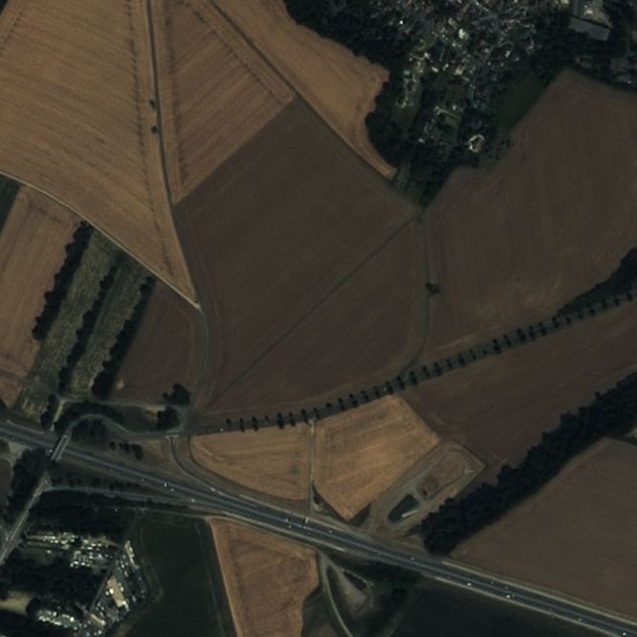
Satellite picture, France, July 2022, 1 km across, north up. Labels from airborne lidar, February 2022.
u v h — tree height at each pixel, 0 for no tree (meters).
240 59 0
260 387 0
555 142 0
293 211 0
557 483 0
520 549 0
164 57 0
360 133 0
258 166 0
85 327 11
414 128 7
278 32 0
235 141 0
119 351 12
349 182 0
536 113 0
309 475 0
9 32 0
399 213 0
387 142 15
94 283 0
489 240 0
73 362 13
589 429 7
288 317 0
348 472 0
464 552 0
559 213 0
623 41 20
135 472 0
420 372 0
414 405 0
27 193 0
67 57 0
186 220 0
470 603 0
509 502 13
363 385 0
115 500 10
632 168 0
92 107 0
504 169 0
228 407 0
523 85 0
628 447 0
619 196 0
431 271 0
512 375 0
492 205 0
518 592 0
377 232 0
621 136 0
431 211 0
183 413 0
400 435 0
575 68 8
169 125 0
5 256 0
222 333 0
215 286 0
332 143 0
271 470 0
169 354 0
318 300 0
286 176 0
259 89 0
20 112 0
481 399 0
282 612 0
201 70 0
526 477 10
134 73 0
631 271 16
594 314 9
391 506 0
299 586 0
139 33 0
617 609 0
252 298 0
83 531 13
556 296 0
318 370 0
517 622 0
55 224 0
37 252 0
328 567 0
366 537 0
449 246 0
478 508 26
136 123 0
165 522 0
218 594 0
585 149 0
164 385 0
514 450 0
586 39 28
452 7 10
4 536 0
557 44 11
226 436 0
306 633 0
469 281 0
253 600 0
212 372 0
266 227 0
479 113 14
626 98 0
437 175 12
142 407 0
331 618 0
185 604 0
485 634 0
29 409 0
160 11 0
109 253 0
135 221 0
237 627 0
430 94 18
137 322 9
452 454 0
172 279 0
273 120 0
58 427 13
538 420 0
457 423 0
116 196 0
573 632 0
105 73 0
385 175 0
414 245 0
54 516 17
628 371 0
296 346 0
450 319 0
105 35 0
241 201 0
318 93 0
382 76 0
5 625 18
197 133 0
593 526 0
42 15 0
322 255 0
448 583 0
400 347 0
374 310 0
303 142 0
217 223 0
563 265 0
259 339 0
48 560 0
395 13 7
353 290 0
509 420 0
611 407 7
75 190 0
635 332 0
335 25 8
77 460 0
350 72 0
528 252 0
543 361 0
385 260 0
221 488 0
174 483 0
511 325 0
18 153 0
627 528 0
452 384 0
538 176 0
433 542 10
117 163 0
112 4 0
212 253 0
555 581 0
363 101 0
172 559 0
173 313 0
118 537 11
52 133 0
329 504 0
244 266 0
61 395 0
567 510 0
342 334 0
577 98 0
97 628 0
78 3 0
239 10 0
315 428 0
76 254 7
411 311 0
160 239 0
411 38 9
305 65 0
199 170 0
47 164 0
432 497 0
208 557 0
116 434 0
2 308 0
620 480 0
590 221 0
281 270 0
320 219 0
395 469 0
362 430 0
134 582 6
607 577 0
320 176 0
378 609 0
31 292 0
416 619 0
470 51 14
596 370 0
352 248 0
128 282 0
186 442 0
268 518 0
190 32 0
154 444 0
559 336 0
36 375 0
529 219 0
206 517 0
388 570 6
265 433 0
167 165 0
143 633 0
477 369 0
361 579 0
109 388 14
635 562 0
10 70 0
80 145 0
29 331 0
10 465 0
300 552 0
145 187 0
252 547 0
